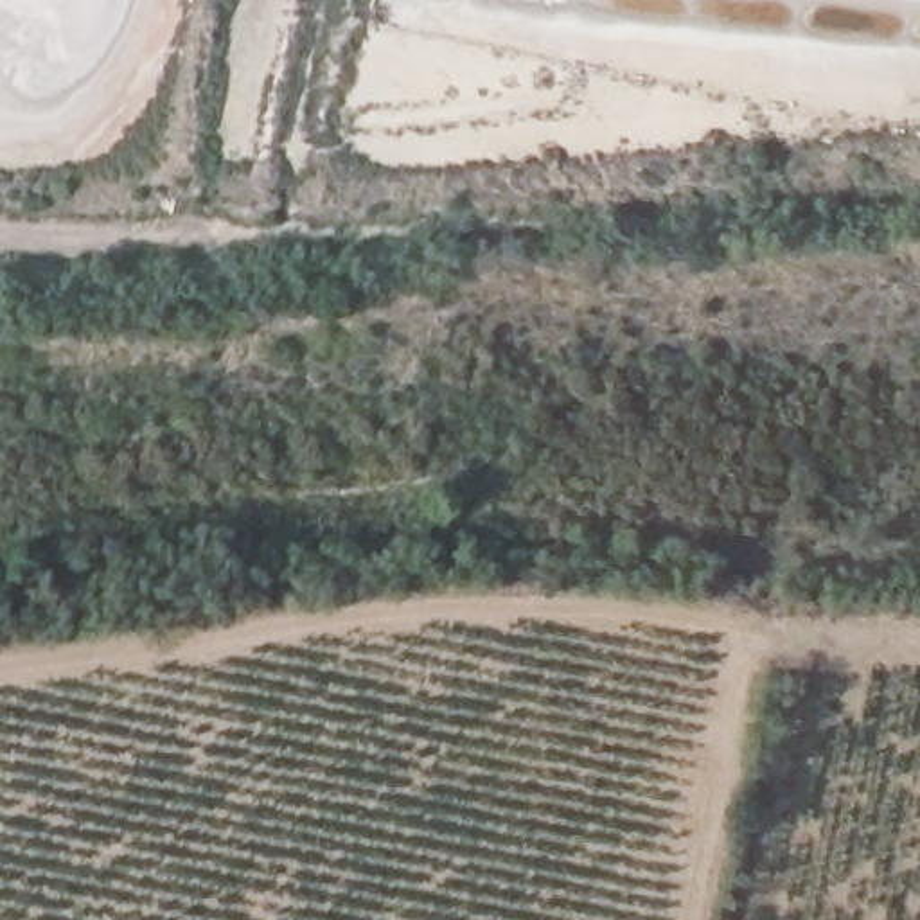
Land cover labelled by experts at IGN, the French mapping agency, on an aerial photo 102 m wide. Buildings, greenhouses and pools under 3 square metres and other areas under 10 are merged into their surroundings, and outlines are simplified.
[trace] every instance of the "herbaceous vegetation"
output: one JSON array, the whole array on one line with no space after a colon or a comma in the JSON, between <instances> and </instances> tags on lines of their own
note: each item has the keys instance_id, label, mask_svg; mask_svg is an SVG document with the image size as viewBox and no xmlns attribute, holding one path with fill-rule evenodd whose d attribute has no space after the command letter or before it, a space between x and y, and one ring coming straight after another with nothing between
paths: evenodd
<instances>
[{"instance_id":1,"label":"herbaceous vegetation","mask_svg":"<svg viewBox=\"0 0 920 920\"><path fill-rule=\"evenodd\" d=\"M392 482L356 485L327 485L309 474L298 478L298 503L302 503L356 500L381 492L403 492L410 500L413 489L435 485L435 478L410 467Z\"/></svg>"},{"instance_id":2,"label":"herbaceous vegetation","mask_svg":"<svg viewBox=\"0 0 920 920\"><path fill-rule=\"evenodd\" d=\"M140 363L180 363L201 374L255 367L277 338L302 338L320 323L316 316L266 316L255 334L230 341L140 341L119 334L36 338L32 349L47 352L50 367L79 367L83 388L93 388L101 374L129 370Z\"/></svg>"},{"instance_id":3,"label":"herbaceous vegetation","mask_svg":"<svg viewBox=\"0 0 920 920\"><path fill-rule=\"evenodd\" d=\"M528 158L395 165L395 183L349 180L345 190L338 190L334 198L323 190L323 180L302 187L295 183L295 169L305 165L305 158L331 158L327 147L305 144L305 101L320 86L338 83L341 47L349 43L349 36L359 36L363 43L374 25L385 25L388 18L381 0L341 0L341 25L331 32L331 43L313 43L305 65L288 54L270 158L252 162L248 176L230 180L201 180L194 165L198 68L208 68L216 22L208 0L180 0L180 25L173 32L169 54L180 58L180 83L173 93L173 115L162 144L165 155L158 169L115 183L86 183L68 201L58 201L43 219L173 226L183 216L201 216L230 226L259 226L259 237L406 237L428 226L431 216L446 212L446 205L460 190L471 190L482 223L489 226L553 230L575 205L618 205L636 198L665 201L683 190L737 198L751 190L755 180L765 180L765 187L773 190L830 187L863 194L902 194L913 180L920 180L920 122L884 122L877 129L845 133L819 129L816 137L791 144L780 137L733 137L726 129L712 129L701 140L679 147L571 155L550 144Z\"/></svg>"},{"instance_id":4,"label":"herbaceous vegetation","mask_svg":"<svg viewBox=\"0 0 920 920\"><path fill-rule=\"evenodd\" d=\"M36 219L25 212L22 201L11 198L11 190L25 187L29 169L0 169L0 219Z\"/></svg>"},{"instance_id":5,"label":"herbaceous vegetation","mask_svg":"<svg viewBox=\"0 0 920 920\"><path fill-rule=\"evenodd\" d=\"M636 320L658 345L686 345L690 356L708 352L712 338L726 338L733 345L758 341L765 349L805 352L809 359L819 359L827 345L845 341L852 334L920 334L920 241L891 241L877 255L841 248L787 252L776 234L755 230L755 244L744 244L740 237L722 237L726 262L708 273L694 273L686 262L622 266L618 291L589 284L571 262L546 266L518 252L492 248L489 255L478 255L478 277L464 280L456 302L442 309L420 295L399 295L392 305L367 309L374 323L392 323L406 334L406 345L388 352L388 363L381 367L385 392L399 392L417 381L428 341L442 341L446 323L460 313L478 313L482 331L489 334L500 323L510 323L514 345L535 345L550 352L575 345L579 327L586 327L593 338L604 338L611 345L611 363L618 367L625 367L625 356L633 349L633 338L622 331L622 316Z\"/></svg>"}]
</instances>

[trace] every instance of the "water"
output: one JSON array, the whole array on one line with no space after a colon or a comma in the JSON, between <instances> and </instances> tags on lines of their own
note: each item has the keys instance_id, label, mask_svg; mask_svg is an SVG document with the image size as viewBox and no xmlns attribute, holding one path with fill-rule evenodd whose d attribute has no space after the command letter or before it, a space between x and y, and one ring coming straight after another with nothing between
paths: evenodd
<instances>
[{"instance_id":1,"label":"water","mask_svg":"<svg viewBox=\"0 0 920 920\"><path fill-rule=\"evenodd\" d=\"M823 36L859 32L870 40L895 40L902 25L895 14L880 11L819 7L812 14L812 25Z\"/></svg>"},{"instance_id":2,"label":"water","mask_svg":"<svg viewBox=\"0 0 920 920\"><path fill-rule=\"evenodd\" d=\"M683 0L615 0L615 7L625 18L643 22L676 22L683 14Z\"/></svg>"},{"instance_id":3,"label":"water","mask_svg":"<svg viewBox=\"0 0 920 920\"><path fill-rule=\"evenodd\" d=\"M787 25L787 7L776 0L701 0L701 14L712 25L726 22L740 29L773 32Z\"/></svg>"}]
</instances>

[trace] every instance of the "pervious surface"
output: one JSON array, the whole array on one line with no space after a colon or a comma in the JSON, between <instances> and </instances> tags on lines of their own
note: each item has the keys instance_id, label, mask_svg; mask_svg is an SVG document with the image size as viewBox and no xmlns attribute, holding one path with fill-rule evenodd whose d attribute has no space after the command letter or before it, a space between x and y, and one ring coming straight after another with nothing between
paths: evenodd
<instances>
[{"instance_id":1,"label":"pervious surface","mask_svg":"<svg viewBox=\"0 0 920 920\"><path fill-rule=\"evenodd\" d=\"M0 252L79 255L108 252L122 241L205 248L259 237L259 226L230 226L201 216L183 216L173 226L43 219L36 219L0 219Z\"/></svg>"},{"instance_id":2,"label":"pervious surface","mask_svg":"<svg viewBox=\"0 0 920 920\"><path fill-rule=\"evenodd\" d=\"M683 14L676 22L643 22L625 18L615 7L615 0L381 0L388 18L385 25L374 25L363 43L356 86L341 111L341 137L374 162L395 165L528 158L550 144L571 155L679 147L701 140L712 129L726 129L733 137L780 137L791 144L816 137L819 129L845 133L877 129L884 122L920 122L920 0L776 0L787 7L787 25L773 32L740 29L726 22L712 25L701 14L701 0L683 0ZM812 25L812 14L819 7L880 11L895 14L902 25L895 40L870 40L859 32L823 36Z\"/></svg>"},{"instance_id":3,"label":"pervious surface","mask_svg":"<svg viewBox=\"0 0 920 920\"><path fill-rule=\"evenodd\" d=\"M252 162L270 158L288 54L298 25L298 0L241 0L230 25L223 155Z\"/></svg>"},{"instance_id":4,"label":"pervious surface","mask_svg":"<svg viewBox=\"0 0 920 920\"><path fill-rule=\"evenodd\" d=\"M180 25L180 0L0 0L0 169L29 169L83 162L111 151L155 97L169 54L173 32Z\"/></svg>"}]
</instances>

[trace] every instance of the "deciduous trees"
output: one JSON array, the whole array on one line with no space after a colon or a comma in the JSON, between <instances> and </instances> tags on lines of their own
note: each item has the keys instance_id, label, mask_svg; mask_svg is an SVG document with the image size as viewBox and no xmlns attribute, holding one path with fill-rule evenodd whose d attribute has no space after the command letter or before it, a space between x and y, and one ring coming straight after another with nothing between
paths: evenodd
<instances>
[{"instance_id":1,"label":"deciduous trees","mask_svg":"<svg viewBox=\"0 0 920 920\"><path fill-rule=\"evenodd\" d=\"M72 496L68 510L40 518L43 535L29 543L29 557L43 564L36 589L25 593L18 582L11 582L0 557L0 647L75 643L119 633L165 636L176 629L226 629L248 615L280 607L338 611L363 600L406 600L417 593L446 589L492 593L507 586L532 586L550 597L604 593L625 600L668 597L683 604L730 597L740 607L773 618L852 618L888 611L920 618L920 579L913 568L898 575L888 564L891 553L902 553L898 539L880 539L873 532L884 528L898 510L906 510L909 492L895 471L884 471L880 482L873 482L863 492L863 510L848 510L848 525L841 532L827 532L819 521L809 521L809 507L783 503L780 521L773 525L773 553L751 546L748 535L701 528L690 550L679 539L661 539L654 546L636 539L636 553L611 550L607 557L593 557L589 539L553 539L546 535L543 521L507 514L500 496L510 489L507 474L482 460L474 460L460 478L446 485L446 496L453 503L449 525L428 525L410 518L406 525L392 525L395 539L370 557L356 550L352 528L313 528L309 510L302 503L298 503L190 503L187 514L176 518L162 507L147 507L151 518L133 528L133 521L119 507L83 507L83 500Z\"/></svg>"},{"instance_id":2,"label":"deciduous trees","mask_svg":"<svg viewBox=\"0 0 920 920\"><path fill-rule=\"evenodd\" d=\"M571 262L589 284L618 291L622 266L686 262L694 273L708 273L726 262L722 237L740 237L744 244L755 244L755 230L776 234L787 252L841 248L877 255L891 241L920 241L920 180L913 180L902 194L863 194L830 187L773 190L765 187L765 180L755 180L751 190L737 198L683 190L665 201L636 198L618 205L575 205L553 230L489 226L482 223L471 190L460 190L446 205L446 212L431 216L428 226L406 237L259 237L205 248L122 241L108 252L79 255L0 252L0 327L14 327L14 345L32 349L36 338L119 334L140 341L230 341L255 334L266 316L316 316L320 323L327 338L341 338L341 320L367 309L392 305L399 295L420 295L442 309L456 302L464 280L478 277L478 255L489 255L492 248L518 252L546 266Z\"/></svg>"}]
</instances>

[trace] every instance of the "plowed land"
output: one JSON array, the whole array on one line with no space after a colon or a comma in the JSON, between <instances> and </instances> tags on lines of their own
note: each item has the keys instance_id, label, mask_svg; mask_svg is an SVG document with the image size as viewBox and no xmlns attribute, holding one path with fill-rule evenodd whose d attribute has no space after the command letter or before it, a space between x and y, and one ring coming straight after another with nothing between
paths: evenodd
<instances>
[{"instance_id":1,"label":"plowed land","mask_svg":"<svg viewBox=\"0 0 920 920\"><path fill-rule=\"evenodd\" d=\"M852 618L773 618L740 607L730 597L683 604L668 597L625 600L604 593L550 597L532 586L507 586L492 593L446 589L417 593L406 600L363 600L338 611L280 607L248 615L226 629L176 629L165 636L119 633L75 643L0 647L0 683L36 690L47 679L83 679L90 668L151 676L151 668L165 661L216 665L223 658L248 658L259 643L298 647L309 636L388 643L392 633L417 633L424 622L467 622L503 633L521 618L561 622L593 633L618 633L625 622L650 622L686 633L719 633L722 661L715 676L715 697L676 694L676 701L704 708L704 715L694 715L694 722L704 726L701 733L694 733L697 769L658 762L658 769L668 773L668 780L661 780L661 791L679 794L679 801L672 801L672 812L683 812L694 834L686 841L672 841L679 866L672 873L672 884L679 884L672 891L672 920L712 920L722 870L730 863L730 841L726 812L744 783L751 683L769 665L798 665L809 665L812 654L827 654L830 661L841 661L845 672L873 672L895 665L920 668L920 618L888 611Z\"/></svg>"}]
</instances>

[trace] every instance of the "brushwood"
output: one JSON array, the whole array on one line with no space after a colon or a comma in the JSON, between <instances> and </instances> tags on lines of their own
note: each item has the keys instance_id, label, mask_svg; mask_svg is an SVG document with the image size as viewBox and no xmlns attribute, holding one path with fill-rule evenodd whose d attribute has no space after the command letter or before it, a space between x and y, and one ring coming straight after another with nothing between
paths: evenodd
<instances>
[{"instance_id":1,"label":"brushwood","mask_svg":"<svg viewBox=\"0 0 920 920\"><path fill-rule=\"evenodd\" d=\"M305 65L313 43L331 43L331 32L341 25L341 0L298 0L298 25L288 54Z\"/></svg>"},{"instance_id":2,"label":"brushwood","mask_svg":"<svg viewBox=\"0 0 920 920\"><path fill-rule=\"evenodd\" d=\"M241 0L208 0L216 22L208 68L198 68L194 165L201 180L230 180L248 176L252 162L223 155L230 25Z\"/></svg>"},{"instance_id":3,"label":"brushwood","mask_svg":"<svg viewBox=\"0 0 920 920\"><path fill-rule=\"evenodd\" d=\"M155 97L111 151L83 162L29 169L25 187L11 190L11 198L22 201L25 212L36 219L43 219L58 201L68 201L86 183L115 183L158 169L165 155L162 144L173 115L173 93L180 83L180 58L169 54Z\"/></svg>"},{"instance_id":4,"label":"brushwood","mask_svg":"<svg viewBox=\"0 0 920 920\"><path fill-rule=\"evenodd\" d=\"M841 532L848 525L848 510L863 510L863 492L873 482L880 482L884 471L895 471L909 492L906 510L898 510L884 528L873 532L880 539L898 539L902 553L891 553L888 564L898 575L913 568L920 579L920 334L852 334L845 341L827 345L819 359L809 359L805 352L765 349L758 341L733 345L726 338L712 338L708 352L690 356L686 345L658 345L636 320L622 316L622 331L633 338L633 349L625 356L625 367L618 367L611 363L611 345L604 338L593 338L586 327L579 327L575 345L550 352L535 345L514 345L510 323L500 323L489 334L482 331L478 313L460 313L446 323L442 341L428 341L417 381L399 392L385 392L381 367L388 363L388 352L406 345L406 334L392 323L374 323L367 309L341 320L341 338L327 338L320 323L302 338L277 338L255 367L201 374L180 363L140 363L129 370L101 374L93 388L83 388L79 367L50 367L47 352L32 349L14 345L14 327L0 327L0 557L11 582L18 582L25 593L36 589L43 564L29 557L29 543L43 535L40 518L68 510L72 496L83 500L83 507L119 507L133 521L133 528L151 518L147 507L162 507L176 518L187 514L190 503L298 503L298 478L309 474L327 485L356 485L392 482L410 467L435 478L435 485L413 489L410 500L403 492L381 492L356 500L302 503L309 510L313 528L352 528L356 550L370 557L395 539L392 525L406 525L410 518L428 525L449 525L453 503L446 496L446 485L460 478L474 460L482 460L507 474L510 489L500 496L507 514L543 521L546 535L553 539L589 539L593 557L607 557L611 550L636 553L636 539L654 546L661 539L679 539L690 550L701 528L748 535L751 546L773 553L773 525L780 521L783 503L809 507L809 521L819 521L827 532Z\"/></svg>"},{"instance_id":5,"label":"brushwood","mask_svg":"<svg viewBox=\"0 0 920 920\"><path fill-rule=\"evenodd\" d=\"M751 791L773 765L776 744L783 737L776 715L794 704L791 672L798 665L769 665L751 683L744 783L726 812L730 841L744 841L751 830Z\"/></svg>"},{"instance_id":6,"label":"brushwood","mask_svg":"<svg viewBox=\"0 0 920 920\"><path fill-rule=\"evenodd\" d=\"M349 43L341 47L338 83L320 86L305 101L305 144L327 147L331 158L305 158L305 165L295 169L295 183L302 187L323 180L323 190L334 198L338 190L345 190L349 180L395 183L395 165L374 162L341 137L341 111L356 86L363 43L359 36L349 36Z\"/></svg>"}]
</instances>

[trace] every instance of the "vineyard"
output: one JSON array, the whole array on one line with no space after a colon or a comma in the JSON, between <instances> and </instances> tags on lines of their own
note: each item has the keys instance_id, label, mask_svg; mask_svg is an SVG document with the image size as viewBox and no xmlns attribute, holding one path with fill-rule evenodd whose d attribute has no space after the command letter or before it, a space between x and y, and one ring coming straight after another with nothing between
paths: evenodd
<instances>
[{"instance_id":1,"label":"vineyard","mask_svg":"<svg viewBox=\"0 0 920 920\"><path fill-rule=\"evenodd\" d=\"M783 737L776 744L773 765L751 791L751 830L744 841L730 841L730 863L722 870L712 920L920 920L920 668L895 665L873 672L845 672L841 661L830 661L827 654L812 654L809 665L798 665L791 672L794 704L776 715Z\"/></svg>"},{"instance_id":2,"label":"vineyard","mask_svg":"<svg viewBox=\"0 0 920 920\"><path fill-rule=\"evenodd\" d=\"M704 726L694 722L694 715L704 715L704 708L676 701L676 694L715 697L715 676L722 661L719 633L686 633L650 622L625 622L618 633L593 633L561 622L521 618L503 633L467 622L424 622L417 633L392 633L388 643L309 636L298 647L259 643L248 658L223 658L216 665L165 661L151 668L151 676L90 668L83 679L47 679L36 690L0 683L0 920L672 920L672 891L679 884L672 884L672 873L679 866L672 841L686 841L694 834L683 812L672 812L672 801L679 801L679 794L661 791L661 780L668 780L668 773L658 769L658 762L697 769L694 733L701 733Z\"/></svg>"}]
</instances>

